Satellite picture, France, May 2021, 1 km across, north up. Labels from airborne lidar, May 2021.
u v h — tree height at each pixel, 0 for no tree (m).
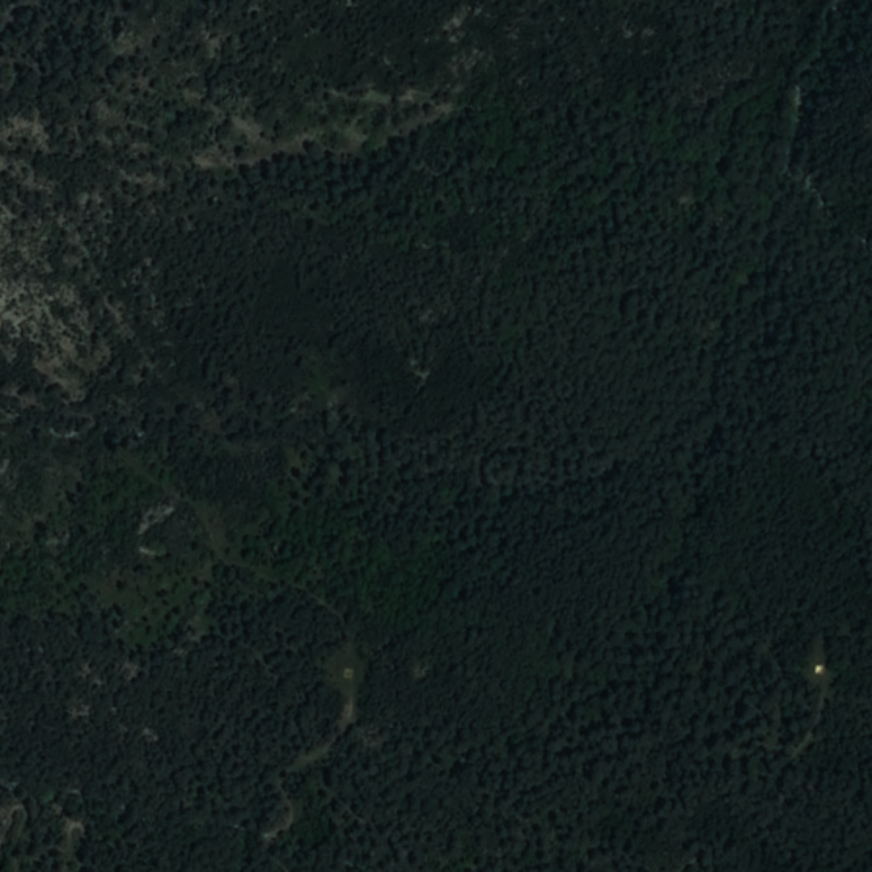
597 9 18
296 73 6
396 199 6
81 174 20
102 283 18
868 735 6
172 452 11
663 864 6
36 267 9
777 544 24
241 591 8
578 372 30
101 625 31
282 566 15
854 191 10
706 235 28
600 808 27
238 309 20
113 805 29
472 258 8
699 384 34
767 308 32
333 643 20
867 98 16
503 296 22
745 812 22
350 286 8
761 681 23
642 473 26
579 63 7
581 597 27
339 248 8
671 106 29
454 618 21
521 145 27
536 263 11
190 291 16
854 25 21
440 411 8
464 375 13
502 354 23
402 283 16
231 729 18
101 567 9
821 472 10
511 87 5
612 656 35
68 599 14
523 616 23
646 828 30
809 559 24
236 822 31
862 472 35
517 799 30
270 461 12
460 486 21
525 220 15
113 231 17
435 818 36
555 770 33
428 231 27
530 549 31
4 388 22
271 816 28
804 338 34
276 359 13
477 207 7
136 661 22
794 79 23
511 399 26
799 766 11
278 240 22
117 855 30
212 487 7
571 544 30
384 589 12
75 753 19
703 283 29
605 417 29
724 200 27
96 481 12
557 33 22
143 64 26
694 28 23
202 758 24
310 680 23
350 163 8
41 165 23
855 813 33
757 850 7
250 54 13
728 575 21
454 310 13
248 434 26
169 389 11
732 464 35
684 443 33
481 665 17
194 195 25
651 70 8
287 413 22
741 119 26
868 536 36
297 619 25
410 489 27
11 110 10
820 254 25
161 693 24
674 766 21
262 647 27
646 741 40
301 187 30
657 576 30
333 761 15
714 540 24
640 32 6
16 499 7
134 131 18
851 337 30
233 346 25
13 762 30
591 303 29
